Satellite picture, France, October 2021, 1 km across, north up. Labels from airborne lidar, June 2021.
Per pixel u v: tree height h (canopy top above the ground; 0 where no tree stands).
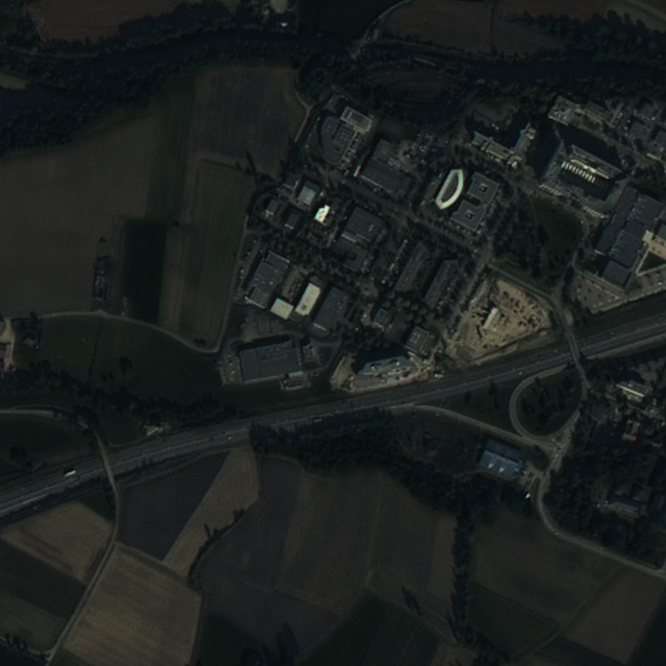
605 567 0
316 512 0
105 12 0
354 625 0
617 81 17
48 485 0
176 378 0
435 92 0
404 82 0
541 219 0
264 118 0
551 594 0
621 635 0
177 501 0
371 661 0
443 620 0
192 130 0
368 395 0
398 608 0
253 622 0
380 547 0
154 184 0
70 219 0
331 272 8
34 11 0
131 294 0
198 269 0
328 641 0
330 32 0
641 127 0
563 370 0
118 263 0
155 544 0
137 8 0
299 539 0
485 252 0
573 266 0
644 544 17
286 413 0
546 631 0
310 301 0
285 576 0
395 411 0
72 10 0
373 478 0
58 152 0
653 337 0
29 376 0
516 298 0
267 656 0
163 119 0
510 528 0
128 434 0
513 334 0
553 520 0
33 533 0
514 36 0
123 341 0
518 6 0
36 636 0
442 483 12
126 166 0
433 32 0
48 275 0
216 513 0
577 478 21
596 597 0
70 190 0
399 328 0
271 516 0
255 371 0
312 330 0
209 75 0
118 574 0
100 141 0
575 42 14
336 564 0
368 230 0
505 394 0
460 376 0
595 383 11
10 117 30
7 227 0
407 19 0
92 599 0
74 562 0
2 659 0
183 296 0
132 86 25
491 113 0
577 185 0
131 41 20
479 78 14
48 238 0
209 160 0
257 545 0
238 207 0
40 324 12
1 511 0
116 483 0
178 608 0
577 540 0
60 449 0
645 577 0
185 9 0
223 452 0
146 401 0
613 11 0
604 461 19
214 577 0
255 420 0
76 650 0
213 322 0
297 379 0
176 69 16
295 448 14
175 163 0
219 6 0
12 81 0
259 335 0
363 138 0
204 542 0
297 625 0
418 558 0
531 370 0
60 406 0
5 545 0
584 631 0
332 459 16
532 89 15
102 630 0
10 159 0
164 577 0
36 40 14
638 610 0
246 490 0
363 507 0
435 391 0
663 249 0
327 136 0
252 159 0
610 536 9
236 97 0
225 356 0
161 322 0
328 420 0
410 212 0
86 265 0
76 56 11
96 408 18
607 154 0
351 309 10
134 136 0
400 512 0
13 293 0
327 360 0
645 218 0
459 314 0
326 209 0
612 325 0
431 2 0
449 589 0
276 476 0
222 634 0
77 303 0
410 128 0
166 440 0
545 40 0
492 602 0
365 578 0
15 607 0
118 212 0
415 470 13
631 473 22
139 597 0
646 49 22
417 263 0
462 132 0
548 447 0
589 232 0
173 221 0
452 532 0
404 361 0
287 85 0
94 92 20
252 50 18
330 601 0
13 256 0
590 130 0
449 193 0
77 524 0
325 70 12
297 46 16
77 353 0
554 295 0
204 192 0
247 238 0
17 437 0
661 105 0
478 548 0
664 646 0
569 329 0
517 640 0
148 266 0
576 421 0
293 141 0
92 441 11
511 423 0
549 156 7
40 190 0
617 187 0
